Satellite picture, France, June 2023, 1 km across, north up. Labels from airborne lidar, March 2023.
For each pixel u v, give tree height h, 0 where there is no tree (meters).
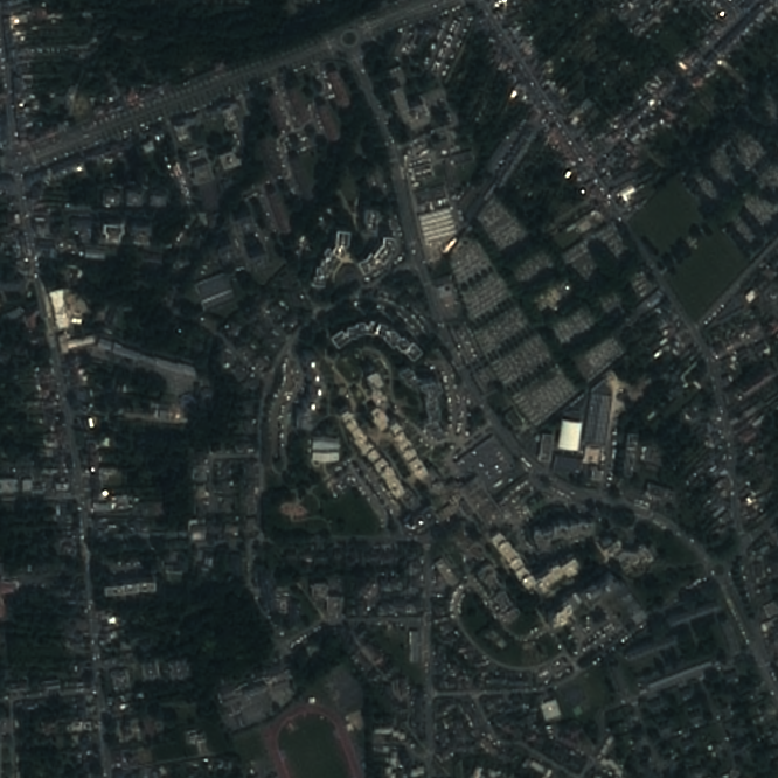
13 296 15
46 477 0
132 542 16
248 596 18
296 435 8
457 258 0
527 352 0
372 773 14
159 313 10
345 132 14
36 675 8
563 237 0
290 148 0
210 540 12
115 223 0
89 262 16
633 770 11
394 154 0
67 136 0
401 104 0
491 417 0
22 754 16
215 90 0
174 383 0
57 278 7
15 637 13
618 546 0
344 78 14
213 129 0
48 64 6
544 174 10
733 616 0
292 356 0
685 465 8
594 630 0
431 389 0
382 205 17
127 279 22
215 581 12
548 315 14
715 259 0
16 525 6
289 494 10
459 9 0
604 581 0
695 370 6
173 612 11
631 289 19
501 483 0
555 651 0
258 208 16
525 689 0
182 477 20
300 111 0
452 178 0
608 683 12
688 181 16
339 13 18
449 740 8
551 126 0
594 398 0
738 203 19
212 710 16
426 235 0
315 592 0
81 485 0
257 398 6
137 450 7
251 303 13
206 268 0
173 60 11
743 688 6
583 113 0
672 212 0
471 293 0
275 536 14
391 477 0
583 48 0
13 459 17
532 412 0
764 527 0
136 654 6
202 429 18
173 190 13
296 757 0
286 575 15
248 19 23
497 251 12
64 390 0
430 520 0
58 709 8
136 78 17
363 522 0
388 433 0
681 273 0
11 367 14
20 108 0
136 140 10
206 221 0
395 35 11
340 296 12
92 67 16
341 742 0
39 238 0
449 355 9
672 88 0
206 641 17
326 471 0
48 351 11
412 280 10
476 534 19
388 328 0
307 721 0
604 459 0
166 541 8
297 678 20
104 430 17
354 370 0
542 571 0
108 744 14
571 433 0
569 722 6
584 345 13
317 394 0
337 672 0
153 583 0
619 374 14
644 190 0
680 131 16
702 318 0
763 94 19
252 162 21
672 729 7
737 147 20
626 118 0
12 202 0
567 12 6
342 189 0
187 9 7
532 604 10
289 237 15
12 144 0
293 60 0
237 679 9
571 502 0
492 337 0
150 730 0
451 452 0
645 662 0
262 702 0
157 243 12
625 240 16
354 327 0
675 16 6
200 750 0
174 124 0
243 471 10
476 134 10
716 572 0
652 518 0
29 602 8
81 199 16
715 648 13
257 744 0
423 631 0
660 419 12
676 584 15
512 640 10
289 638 0
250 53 18
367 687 14
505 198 14
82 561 8
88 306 8
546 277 17
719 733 0
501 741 0
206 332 9
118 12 12
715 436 0
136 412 0
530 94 0
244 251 0
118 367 12
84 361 12
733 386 9
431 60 0
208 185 0
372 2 10
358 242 18
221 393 19
